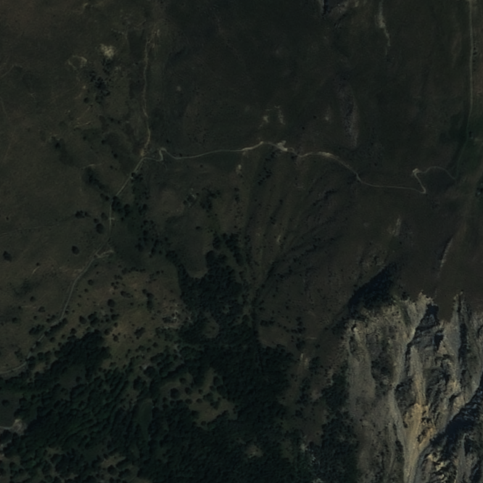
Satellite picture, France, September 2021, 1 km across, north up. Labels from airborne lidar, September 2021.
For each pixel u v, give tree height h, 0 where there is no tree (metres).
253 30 0
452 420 0
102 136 0
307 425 0
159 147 0
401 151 0
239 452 12
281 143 0
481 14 0
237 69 0
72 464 17
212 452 17
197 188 0
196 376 16
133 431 16
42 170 0
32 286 0
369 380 0
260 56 0
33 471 13
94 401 18
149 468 18
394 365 0
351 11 0
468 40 0
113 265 0
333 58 0
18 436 12
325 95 0
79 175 0
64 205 0
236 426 17
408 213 0
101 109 0
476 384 0
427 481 0
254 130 0
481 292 0
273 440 17
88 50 0
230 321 11
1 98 0
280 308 0
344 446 10
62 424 23
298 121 0
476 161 0
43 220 0
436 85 0
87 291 9
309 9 0
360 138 0
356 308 12
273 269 7
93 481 16
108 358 14
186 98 0
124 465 13
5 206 0
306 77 0
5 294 0
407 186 0
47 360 9
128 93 0
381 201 0
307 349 0
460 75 0
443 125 0
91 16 0
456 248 0
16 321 10
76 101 0
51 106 0
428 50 0
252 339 14
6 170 0
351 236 0
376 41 0
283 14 0
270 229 0
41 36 0
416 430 0
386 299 7
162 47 0
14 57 0
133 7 0
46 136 0
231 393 17
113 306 9
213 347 8
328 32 0
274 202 0
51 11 0
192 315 6
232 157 0
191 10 0
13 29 0
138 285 0
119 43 0
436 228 0
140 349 8
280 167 0
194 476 17
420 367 0
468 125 0
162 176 0
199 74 0
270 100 0
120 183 0
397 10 0
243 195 0
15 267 0
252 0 0
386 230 0
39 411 11
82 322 18
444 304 0
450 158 0
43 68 0
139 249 9
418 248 0
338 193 0
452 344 0
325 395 10
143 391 11
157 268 0
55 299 0
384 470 10
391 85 0
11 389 14
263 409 7
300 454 7
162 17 0
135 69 0
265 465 14
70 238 0
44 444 11
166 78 0
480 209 0
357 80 0
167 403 10
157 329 7
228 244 12
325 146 0
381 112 0
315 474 11
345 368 7
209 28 0
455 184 0
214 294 12
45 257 0
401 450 14
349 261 0
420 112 0
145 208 12
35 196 0
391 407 0
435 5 0
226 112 0
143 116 0
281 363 8
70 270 0
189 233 0
